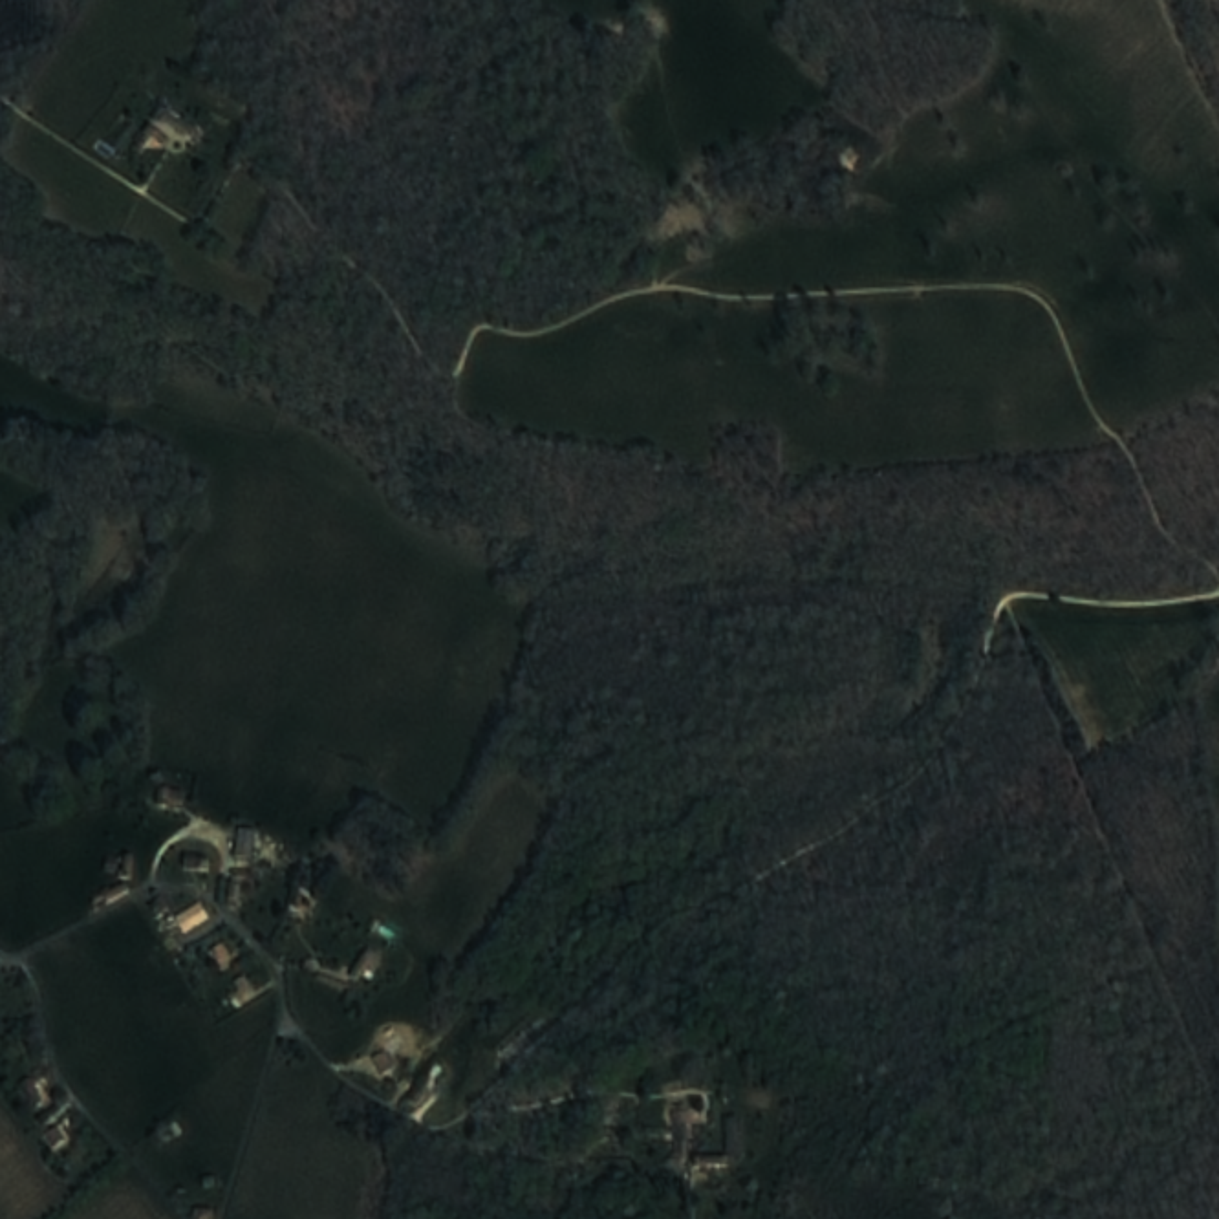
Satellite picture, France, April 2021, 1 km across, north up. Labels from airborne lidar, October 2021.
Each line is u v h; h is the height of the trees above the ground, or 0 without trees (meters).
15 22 6
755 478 12
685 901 17
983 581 23
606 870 24
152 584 18
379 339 14
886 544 19
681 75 0
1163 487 15
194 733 0
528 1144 14
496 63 9
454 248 19
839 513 12
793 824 16
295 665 0
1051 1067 18
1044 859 14
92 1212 0
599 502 22
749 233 0
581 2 0
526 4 21
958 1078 26
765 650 23
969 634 15
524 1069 18
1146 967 19
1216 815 19
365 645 0
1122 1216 18
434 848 18
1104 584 13
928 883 9
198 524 24
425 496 18
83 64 0
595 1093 20
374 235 18
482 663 0
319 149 17
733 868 15
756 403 0
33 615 23
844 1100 10
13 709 23
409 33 8
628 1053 22
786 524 16
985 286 0
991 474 12
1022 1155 24
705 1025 20
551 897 24
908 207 0
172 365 14
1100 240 0
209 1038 0
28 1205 0
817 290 0
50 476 20
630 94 11
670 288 0
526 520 20
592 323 0
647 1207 16
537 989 17
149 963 0
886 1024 21
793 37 21
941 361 0
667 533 17
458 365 13
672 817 17
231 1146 0
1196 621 0
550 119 20
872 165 0
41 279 24
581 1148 20
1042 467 11
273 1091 0
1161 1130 14
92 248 14
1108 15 0
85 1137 11
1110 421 0
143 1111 0
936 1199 14
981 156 0
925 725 13
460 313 19
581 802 25
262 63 18
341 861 8
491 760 22
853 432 0
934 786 18
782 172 20
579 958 20
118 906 0
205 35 9
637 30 23
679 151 0
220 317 18
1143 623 0
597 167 23
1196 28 20
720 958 18
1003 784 12
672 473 16
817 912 14
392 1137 21
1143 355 0
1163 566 18
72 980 0
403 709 0
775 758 13
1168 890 25
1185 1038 25
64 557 22
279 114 13
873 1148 17
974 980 22
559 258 26
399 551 0
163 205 0
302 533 0
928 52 21
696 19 0
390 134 15
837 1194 6
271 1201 0
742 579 8
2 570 25
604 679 14
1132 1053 22
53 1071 16
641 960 16
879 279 0
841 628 21
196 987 11
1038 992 21
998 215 0
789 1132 8
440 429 17
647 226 22
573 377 0
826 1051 19
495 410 0
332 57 10
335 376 19
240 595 0
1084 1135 19
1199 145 0
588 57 18
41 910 0
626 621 15
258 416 0
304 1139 0
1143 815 26
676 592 13
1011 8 0
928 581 23
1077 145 0
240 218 0
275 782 0
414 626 0
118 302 21
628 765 20
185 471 25
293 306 21
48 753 0
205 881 8
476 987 20
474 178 13
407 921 0
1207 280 0
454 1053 0
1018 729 14
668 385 0
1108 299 0
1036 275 0
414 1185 14
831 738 19
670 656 15
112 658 0
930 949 15
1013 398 0
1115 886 21
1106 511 12
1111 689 0
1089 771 14
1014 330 0
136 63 0
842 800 15
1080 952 14
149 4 0
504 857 0
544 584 25
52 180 0
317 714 0
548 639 16
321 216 19
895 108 19
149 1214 0
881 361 16
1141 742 16
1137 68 0
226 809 0
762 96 0
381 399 18
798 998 19
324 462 0
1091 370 0
